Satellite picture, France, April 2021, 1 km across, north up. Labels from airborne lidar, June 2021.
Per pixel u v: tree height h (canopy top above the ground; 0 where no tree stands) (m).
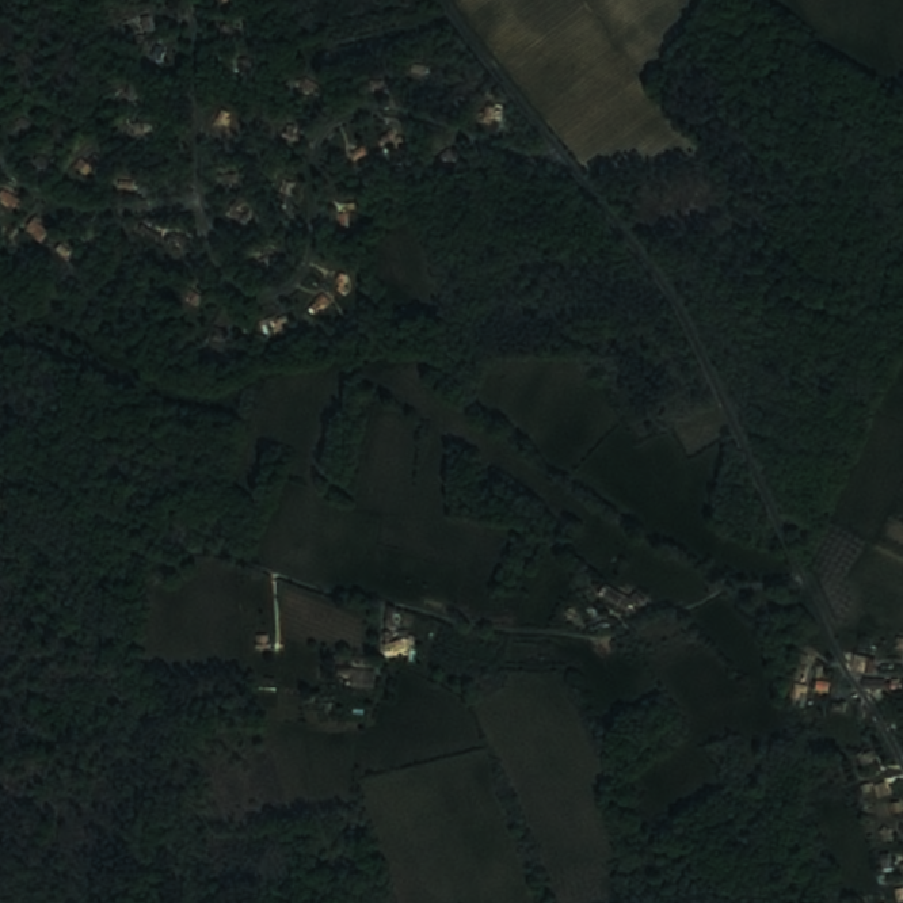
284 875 19
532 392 0
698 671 0
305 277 0
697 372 18
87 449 20
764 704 0
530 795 0
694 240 21
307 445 0
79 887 18
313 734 0
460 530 0
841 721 0
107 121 14
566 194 28
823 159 24
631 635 14
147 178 19
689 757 0
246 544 16
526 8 0
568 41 0
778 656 16
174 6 14
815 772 14
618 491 0
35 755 21
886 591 0
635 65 0
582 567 14
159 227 20
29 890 14
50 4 16
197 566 16
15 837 9
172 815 18
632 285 24
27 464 15
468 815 0
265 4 25
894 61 0
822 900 18
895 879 13
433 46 17
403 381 0
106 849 20
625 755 19
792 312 25
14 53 9
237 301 22
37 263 25
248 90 24
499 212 23
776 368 23
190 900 23
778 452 20
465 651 7
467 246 19
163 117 17
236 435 22
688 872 12
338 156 18
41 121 18
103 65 17
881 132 26
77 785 18
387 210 23
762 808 15
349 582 0
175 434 17
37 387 20
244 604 0
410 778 0
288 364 25
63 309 21
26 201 15
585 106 0
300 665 0
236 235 19
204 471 18
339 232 19
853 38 0
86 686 12
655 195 14
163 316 25
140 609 26
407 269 0
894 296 27
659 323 23
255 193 20
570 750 0
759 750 17
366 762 0
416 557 0
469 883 0
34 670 11
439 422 0
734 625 0
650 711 15
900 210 23
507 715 0
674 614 17
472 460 21
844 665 0
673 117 23
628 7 0
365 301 21
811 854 18
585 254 19
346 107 18
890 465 0
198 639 0
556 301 20
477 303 19
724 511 24
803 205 17
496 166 23
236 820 7
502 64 0
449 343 22
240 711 12
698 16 18
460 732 0
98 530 24
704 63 23
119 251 20
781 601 16
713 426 0
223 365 23
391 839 0
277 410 0
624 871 18
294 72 19
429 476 0
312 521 0
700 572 9
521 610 0
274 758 0
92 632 16
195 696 22
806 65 26
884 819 0
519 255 22
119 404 22
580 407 0
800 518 21
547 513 23
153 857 18
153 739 21
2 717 7
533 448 18
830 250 19
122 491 21
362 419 20
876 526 0
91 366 20
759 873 25
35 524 16
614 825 20
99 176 19
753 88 25
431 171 21
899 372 13
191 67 20
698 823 20
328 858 18
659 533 0
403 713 0
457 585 0
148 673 20
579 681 8
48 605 11
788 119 24
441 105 14
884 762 14
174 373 27
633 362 23
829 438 22
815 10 0
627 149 0
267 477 20
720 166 21
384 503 0
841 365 17
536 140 19
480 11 0
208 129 0
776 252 12
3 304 18
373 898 27
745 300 24
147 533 21
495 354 22
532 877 15
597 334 23
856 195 19
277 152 19
